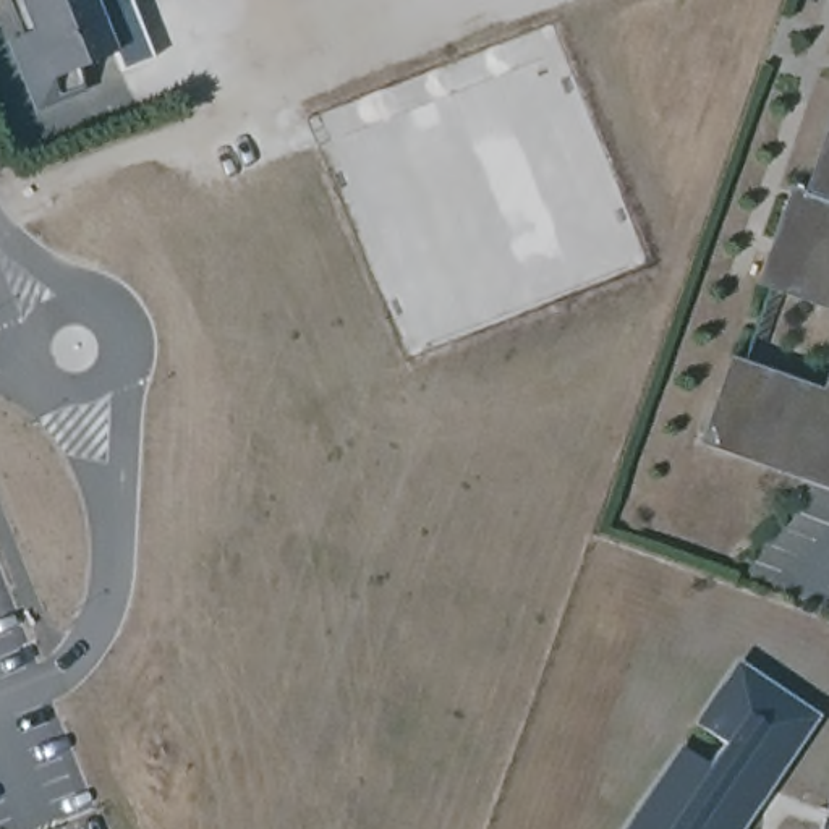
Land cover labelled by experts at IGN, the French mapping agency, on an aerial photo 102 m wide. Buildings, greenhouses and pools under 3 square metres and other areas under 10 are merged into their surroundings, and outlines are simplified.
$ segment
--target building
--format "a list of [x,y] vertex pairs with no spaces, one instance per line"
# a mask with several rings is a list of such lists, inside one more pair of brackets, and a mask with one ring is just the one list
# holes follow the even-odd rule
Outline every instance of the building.
[[793,372],[745,359],[738,353],[732,356],[709,421],[719,427],[719,440],[725,450],[751,457],[767,466],[780,466],[797,476],[816,476],[829,483],[829,379],[810,382]]
[[787,295],[800,301],[813,308],[829,308],[829,136],[819,162],[806,168],[810,181],[790,181],[790,194],[784,230],[774,240],[771,256],[758,262],[758,278],[758,285],[767,288],[787,285]]
[[123,52],[126,62],[136,65],[149,55],[159,55],[139,0],[0,0],[0,55],[13,65],[16,78],[26,87],[36,120],[45,130],[62,130],[84,117],[123,107],[133,100],[133,91],[113,68],[110,55]]
[[725,680],[725,687],[706,709],[699,729],[674,758],[667,774],[657,780],[657,787],[651,790],[651,797],[644,800],[628,829],[761,829],[764,810],[780,793],[800,767],[800,761],[806,758],[816,735],[823,732],[823,725],[829,722],[829,712],[823,712],[816,703],[810,703],[806,696],[800,696],[797,690],[790,690],[787,683],[780,683],[777,677],[771,677],[745,657]]

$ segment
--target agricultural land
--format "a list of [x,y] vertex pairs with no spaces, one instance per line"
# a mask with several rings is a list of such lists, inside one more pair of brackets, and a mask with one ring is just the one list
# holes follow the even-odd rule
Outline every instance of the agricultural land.
[[207,505],[217,505],[217,515],[210,515],[207,531],[194,538],[194,576],[207,583],[207,589],[201,593],[201,609],[214,619],[204,651],[194,651],[191,661],[181,661],[175,644],[155,641],[130,683],[113,677],[100,699],[84,699],[84,706],[94,716],[78,722],[71,732],[74,764],[81,784],[91,784],[91,797],[97,793],[94,787],[113,774],[126,793],[126,803],[133,806],[136,829],[489,829],[492,810],[505,784],[505,771],[521,738],[528,709],[534,703],[534,690],[541,683],[570,589],[586,554],[586,544],[580,544],[576,538],[599,528],[602,508],[619,476],[622,453],[628,447],[631,424],[651,382],[651,369],[657,363],[683,282],[690,275],[693,253],[712,210],[725,162],[732,155],[758,68],[771,58],[764,52],[764,36],[771,19],[780,13],[777,0],[554,0],[554,10],[557,16],[567,16],[573,23],[576,45],[589,62],[599,100],[615,130],[619,149],[625,155],[625,165],[635,178],[638,198],[651,217],[661,246],[661,266],[651,269],[654,278],[648,291],[641,298],[622,298],[622,324],[593,324],[583,330],[570,330],[560,343],[538,346],[534,353],[512,359],[502,369],[502,379],[492,382],[476,382],[466,372],[418,376],[411,369],[405,376],[392,376],[392,366],[385,359],[385,340],[379,340],[369,327],[369,308],[346,308],[337,282],[321,285],[321,272],[330,266],[330,259],[324,243],[308,230],[308,220],[298,214],[298,185],[327,152],[308,149],[282,155],[256,175],[240,168],[227,178],[204,185],[191,181],[188,172],[162,162],[126,165],[104,178],[110,188],[133,194],[142,214],[152,217],[162,246],[172,259],[175,278],[194,301],[194,314],[207,340],[214,343],[217,372],[223,385],[233,392],[227,418],[233,450],[220,466],[217,483],[207,486]]

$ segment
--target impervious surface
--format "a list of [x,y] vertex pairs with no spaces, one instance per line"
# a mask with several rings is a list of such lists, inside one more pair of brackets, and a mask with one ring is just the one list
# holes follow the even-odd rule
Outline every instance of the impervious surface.
[[758,278],[758,262],[771,256],[774,240],[764,230],[767,217],[774,210],[777,194],[790,194],[790,181],[787,172],[797,152],[797,130],[813,100],[819,71],[829,68],[829,0],[777,0],[780,13],[771,19],[764,36],[764,52],[771,58],[780,58],[780,71],[800,78],[800,100],[780,120],[784,146],[780,155],[767,162],[764,201],[748,217],[751,243],[735,256],[732,269],[735,278]]
[[337,172],[343,172],[346,204],[356,217],[363,249],[392,308],[392,317],[398,321],[408,353],[424,353],[427,343],[447,343],[486,324],[508,321],[525,308],[560,298],[573,288],[593,285],[599,278],[609,278],[622,269],[635,269],[644,262],[644,249],[631,217],[619,220],[619,207],[625,204],[625,198],[619,191],[606,146],[593,126],[583,91],[563,91],[563,74],[573,65],[567,62],[567,52],[554,26],[544,26],[483,55],[453,62],[450,68],[437,68],[424,78],[411,78],[398,87],[376,91],[356,104],[324,113],[330,126],[327,152]]
[[139,304],[117,282],[52,259],[23,236],[19,227],[0,214],[0,408],[13,402],[23,411],[39,415],[42,431],[55,440],[58,457],[71,460],[91,521],[91,586],[84,609],[71,625],[71,638],[52,628],[29,580],[29,570],[19,557],[16,538],[10,538],[0,528],[0,829],[107,829],[104,816],[91,816],[91,797],[91,784],[81,784],[74,764],[71,732],[62,732],[52,706],[84,677],[84,670],[107,648],[126,606],[133,563],[136,437],[142,402],[139,379],[149,372],[152,363],[152,334]]
[[767,466],[764,473],[777,476],[784,486],[806,486],[813,492],[810,505],[803,508],[793,521],[787,521],[784,534],[774,538],[771,547],[761,547],[761,557],[751,567],[751,573],[761,573],[774,583],[771,593],[787,596],[793,606],[810,612],[829,609],[829,483],[816,476],[797,476],[780,466]]

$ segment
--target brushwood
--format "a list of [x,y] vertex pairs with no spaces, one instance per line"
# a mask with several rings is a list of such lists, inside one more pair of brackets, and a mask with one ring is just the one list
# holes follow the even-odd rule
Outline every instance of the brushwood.
[[790,194],[777,194],[774,210],[767,217],[764,230],[774,240],[784,230]]
[[670,369],[677,363],[687,324],[699,301],[703,278],[709,272],[722,223],[735,198],[735,185],[745,172],[751,139],[758,133],[767,94],[780,71],[780,58],[771,58],[758,68],[732,155],[725,162],[712,210],[693,253],[690,275],[683,282],[657,363],[651,369],[651,382],[631,424],[628,447],[622,453],[619,476],[602,508],[599,528],[602,534],[628,541],[631,538],[635,528],[622,515],[667,385]]

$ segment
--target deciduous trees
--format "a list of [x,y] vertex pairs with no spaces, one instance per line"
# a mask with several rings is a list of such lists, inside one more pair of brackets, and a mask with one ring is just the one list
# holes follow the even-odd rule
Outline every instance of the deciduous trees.
[[806,317],[813,314],[813,308],[800,301],[790,311],[787,337],[777,350],[797,353],[797,343],[806,334]]
[[100,146],[188,120],[194,107],[185,97],[185,87],[175,84],[152,97],[139,97],[136,113],[126,113],[104,126],[36,149],[16,146],[10,120],[0,117],[0,172],[13,168],[23,178],[39,175],[55,162],[68,162]]
[[696,363],[683,369],[677,363],[670,369],[667,385],[696,389],[709,376],[709,366]]
[[771,547],[774,538],[784,534],[787,521],[793,521],[803,508],[797,495],[771,495],[767,518],[751,531],[751,547],[738,554],[738,560],[751,567],[761,557],[761,547]]
[[716,570],[719,576],[738,583],[738,573],[712,560],[690,557],[683,551],[644,538],[631,538],[628,541],[703,570]]

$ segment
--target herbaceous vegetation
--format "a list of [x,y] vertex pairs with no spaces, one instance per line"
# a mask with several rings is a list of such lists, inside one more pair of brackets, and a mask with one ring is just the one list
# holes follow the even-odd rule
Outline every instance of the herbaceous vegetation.
[[751,139],[745,172],[735,185],[735,198],[722,223],[709,272],[703,278],[699,301],[687,324],[677,363],[683,369],[696,363],[709,366],[709,376],[696,389],[667,385],[622,515],[635,528],[631,538],[644,538],[683,551],[690,557],[712,560],[738,573],[738,583],[719,576],[716,570],[703,570],[628,541],[602,534],[599,528],[576,538],[580,544],[586,544],[586,554],[570,589],[541,683],[534,690],[534,703],[528,709],[521,738],[505,771],[505,784],[492,810],[489,829],[628,829],[644,800],[651,797],[651,790],[657,787],[657,780],[667,774],[674,758],[699,729],[706,709],[725,687],[725,680],[745,657],[771,677],[777,677],[780,683],[787,683],[790,690],[797,690],[800,696],[806,696],[810,703],[816,703],[823,712],[829,712],[829,609],[810,612],[793,606],[787,596],[771,593],[774,583],[761,573],[751,573],[751,567],[738,560],[738,554],[751,547],[751,531],[767,518],[771,495],[797,495],[803,508],[810,505],[813,492],[806,486],[784,486],[777,476],[764,473],[767,466],[751,457],[725,450],[719,440],[719,427],[709,421],[732,356],[738,353],[745,359],[793,372],[810,382],[829,379],[829,308],[813,308],[813,314],[806,317],[806,334],[797,343],[797,353],[777,350],[787,337],[790,311],[800,301],[787,295],[787,285],[767,288],[758,285],[758,278],[735,278],[732,269],[735,256],[751,243],[748,217],[764,201],[767,162],[780,155],[784,146],[780,120],[800,100],[800,78],[780,71],[767,94],[758,133]]
[[[437,68],[450,68],[453,62],[483,55],[544,26],[554,26],[567,52],[567,62],[573,65],[563,74],[563,91],[583,91],[593,126],[606,146],[619,191],[625,198],[625,204],[619,207],[619,220],[631,217],[644,249],[644,262],[635,269],[622,269],[609,278],[599,278],[593,285],[573,288],[560,298],[525,308],[508,321],[486,324],[447,343],[427,343],[424,353],[408,353],[398,321],[392,317],[392,308],[363,249],[356,217],[346,204],[343,172],[337,172],[327,152],[330,126],[324,113],[356,104],[376,91],[398,87],[411,78],[424,78]],[[385,359],[392,366],[392,376],[405,376],[411,369],[418,376],[466,372],[476,382],[492,382],[502,379],[502,369],[512,359],[534,353],[538,346],[560,343],[570,330],[583,330],[593,324],[622,324],[622,298],[641,298],[648,291],[654,278],[651,269],[661,266],[661,246],[651,217],[638,198],[635,178],[625,165],[625,155],[619,149],[615,130],[599,100],[589,62],[576,45],[573,23],[567,16],[557,16],[554,10],[508,23],[489,23],[418,58],[405,58],[369,74],[359,74],[346,84],[337,84],[330,91],[311,94],[304,100],[304,126],[311,133],[308,149],[327,152],[298,185],[298,214],[308,220],[308,230],[324,243],[330,259],[330,266],[321,272],[321,285],[337,282],[346,308],[369,308],[369,327],[379,340],[385,340]]]
[[819,162],[829,136],[829,68],[819,71],[813,100],[797,130],[797,152],[787,172],[790,181],[810,181],[806,168]]
[[13,402],[0,408],[0,528],[10,538],[16,538],[19,557],[29,570],[29,580],[52,628],[71,638],[71,625],[84,609],[91,586],[91,521],[71,460],[58,457],[55,440],[42,431],[39,415],[23,411]]
[[23,236],[52,259],[117,282],[139,304],[152,334],[152,363],[149,372],[139,379],[142,402],[136,437],[133,563],[126,606],[107,648],[84,670],[84,677],[52,706],[62,732],[71,732],[78,722],[94,716],[84,706],[84,699],[100,699],[113,677],[130,683],[155,641],[175,644],[181,661],[191,661],[194,651],[204,651],[214,619],[201,609],[201,593],[207,589],[207,583],[194,576],[194,538],[207,531],[210,515],[217,515],[217,505],[207,505],[207,486],[217,483],[220,466],[233,450],[227,418],[233,392],[223,385],[217,372],[214,343],[207,340],[194,314],[194,301],[175,278],[172,259],[162,246],[152,217],[142,214],[133,194],[110,188],[104,178],[78,185],[68,210],[19,227]]
[[829,722],[823,725],[823,732],[816,735],[806,758],[800,761],[800,767],[780,793],[829,813]]
[[126,793],[113,774],[94,787],[97,793],[91,797],[91,816],[104,816],[107,829],[136,829],[133,806],[126,803]]

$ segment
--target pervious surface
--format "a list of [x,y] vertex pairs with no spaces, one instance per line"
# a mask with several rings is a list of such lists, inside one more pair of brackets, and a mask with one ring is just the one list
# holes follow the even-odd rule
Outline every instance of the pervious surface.
[[761,829],[829,829],[829,813],[780,793],[764,810]]
[[227,178],[240,168],[256,175],[282,155],[308,149],[311,133],[304,126],[304,100],[311,94],[330,91],[337,84],[346,84],[359,74],[369,74],[405,58],[418,58],[489,23],[508,23],[554,10],[554,0],[139,0],[159,55],[149,55],[136,65],[126,62],[123,52],[110,55],[113,68],[133,91],[133,100],[123,107],[84,117],[62,130],[45,130],[36,120],[26,87],[16,78],[13,65],[0,55],[0,117],[10,120],[16,146],[36,149],[104,126],[126,113],[136,113],[139,97],[152,97],[175,84],[185,87],[185,97],[194,107],[188,120],[100,146],[68,162],[55,162],[39,175],[23,178],[13,168],[0,172],[0,214],[19,227],[68,210],[78,185],[104,178],[126,165],[162,162],[188,172],[191,181],[204,185]]

